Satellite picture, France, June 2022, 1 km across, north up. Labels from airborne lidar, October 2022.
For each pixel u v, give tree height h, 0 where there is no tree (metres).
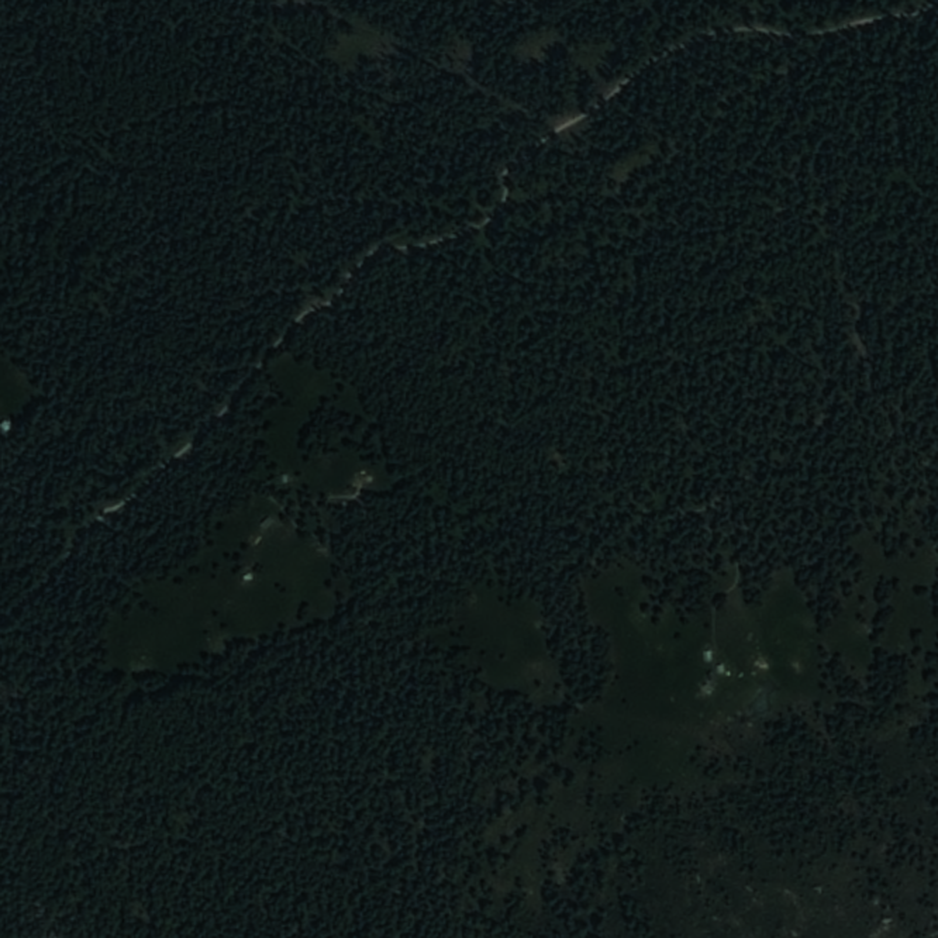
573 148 12
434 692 18
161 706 26
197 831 17
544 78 25
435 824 18
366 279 24
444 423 23
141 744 21
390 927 15
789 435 13
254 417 17
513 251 19
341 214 11
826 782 11
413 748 21
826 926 0
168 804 19
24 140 16
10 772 20
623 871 6
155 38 25
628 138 23
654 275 26
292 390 0
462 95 18
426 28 28
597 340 16
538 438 19
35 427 29
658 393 20
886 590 12
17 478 27
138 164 17
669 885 0
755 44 9
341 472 0
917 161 26
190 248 23
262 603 0
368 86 22
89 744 22
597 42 23
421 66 23
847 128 21
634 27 28
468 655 13
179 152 22
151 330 16
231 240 18
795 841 8
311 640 19
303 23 28
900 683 14
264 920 16
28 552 23
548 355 20
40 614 26
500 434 24
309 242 10
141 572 21
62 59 24
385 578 15
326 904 12
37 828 18
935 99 24
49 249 23
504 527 19
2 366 0
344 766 19
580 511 10
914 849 9
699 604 15
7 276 14
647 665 0
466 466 17
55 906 14
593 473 18
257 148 18
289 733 16
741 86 25
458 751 17
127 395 21
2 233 25
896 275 19
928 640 0
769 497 7
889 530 12
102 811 22
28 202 24
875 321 19
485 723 21
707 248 19
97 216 29
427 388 18
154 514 15
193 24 19
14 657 26
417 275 23
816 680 0
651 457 18
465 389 22
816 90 19
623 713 0
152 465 18
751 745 0
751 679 0
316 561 0
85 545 20
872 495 16
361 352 25
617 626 0
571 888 11
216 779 19
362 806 21
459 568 24
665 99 24
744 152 26
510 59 24
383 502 21
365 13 29
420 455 18
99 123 22
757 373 16
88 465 19
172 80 30
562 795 0
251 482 17
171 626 0
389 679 20
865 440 12
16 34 22
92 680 26
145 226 24
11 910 11
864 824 6
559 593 14
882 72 24
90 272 33
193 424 22
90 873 21
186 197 20
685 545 16
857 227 22
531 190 23
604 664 15
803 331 16
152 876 16
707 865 0
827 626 11
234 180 26
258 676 24
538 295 25
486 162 21
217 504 23
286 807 14
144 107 25
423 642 10
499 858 22
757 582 17
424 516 17
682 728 0
